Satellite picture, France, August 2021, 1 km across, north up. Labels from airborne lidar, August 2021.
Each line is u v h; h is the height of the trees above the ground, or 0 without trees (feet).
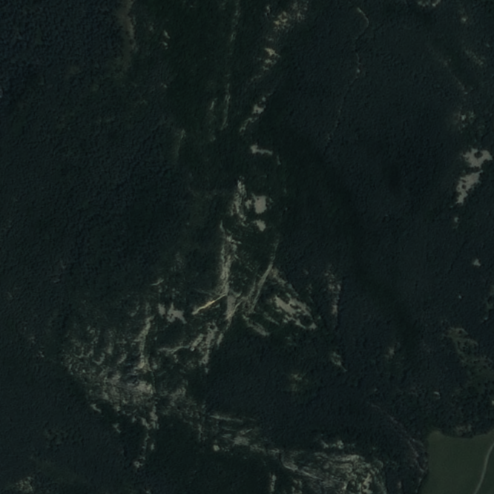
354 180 58
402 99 54
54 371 51
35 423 60
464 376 58
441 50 36
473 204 43
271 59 21
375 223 58
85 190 35
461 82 21
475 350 30
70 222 54
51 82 48
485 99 39
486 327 61
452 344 58
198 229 29
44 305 49
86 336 19
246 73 31
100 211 49
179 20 40
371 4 50
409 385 76
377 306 35
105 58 36
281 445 21
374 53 60
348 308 84
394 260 87
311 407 77
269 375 64
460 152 53
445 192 43
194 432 23
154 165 43
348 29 62
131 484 19
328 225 48
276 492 29
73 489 32
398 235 55
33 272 31
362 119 39
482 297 42
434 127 52
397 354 49
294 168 34
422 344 49
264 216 21
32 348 41
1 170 51
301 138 44
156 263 39
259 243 21
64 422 54
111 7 43
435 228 73
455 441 0
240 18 22
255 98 39
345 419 94
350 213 55
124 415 29
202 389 38
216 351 26
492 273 50
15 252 42
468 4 32
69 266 55
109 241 17
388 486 77
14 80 38
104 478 54
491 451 0
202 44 40
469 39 29
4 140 44
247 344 62
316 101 53
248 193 26
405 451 91
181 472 32
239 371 36
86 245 51
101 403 20
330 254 59
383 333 81
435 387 50
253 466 34
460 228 34
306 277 90
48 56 43
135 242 37
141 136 32
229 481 24
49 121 46
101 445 55
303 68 58
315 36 50
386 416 89
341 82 56
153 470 41
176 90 44
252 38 30
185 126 31
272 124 40
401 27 35
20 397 56
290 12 28
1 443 65
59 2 45
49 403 43
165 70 43
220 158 21
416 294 50
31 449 49
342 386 104
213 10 58
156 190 57
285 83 56
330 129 52
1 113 47
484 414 65
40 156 58
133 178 49
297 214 53
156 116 38
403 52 52
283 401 79
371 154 56
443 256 56
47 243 33
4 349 53
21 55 47
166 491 47
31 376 53
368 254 46
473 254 56
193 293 29
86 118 43
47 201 49
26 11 26
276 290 79
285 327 25
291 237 44
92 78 47
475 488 0
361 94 57
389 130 55
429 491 0
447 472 0
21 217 49
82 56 24
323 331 29
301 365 35
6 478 65
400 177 58
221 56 27
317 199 47
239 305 25
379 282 43
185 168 28
